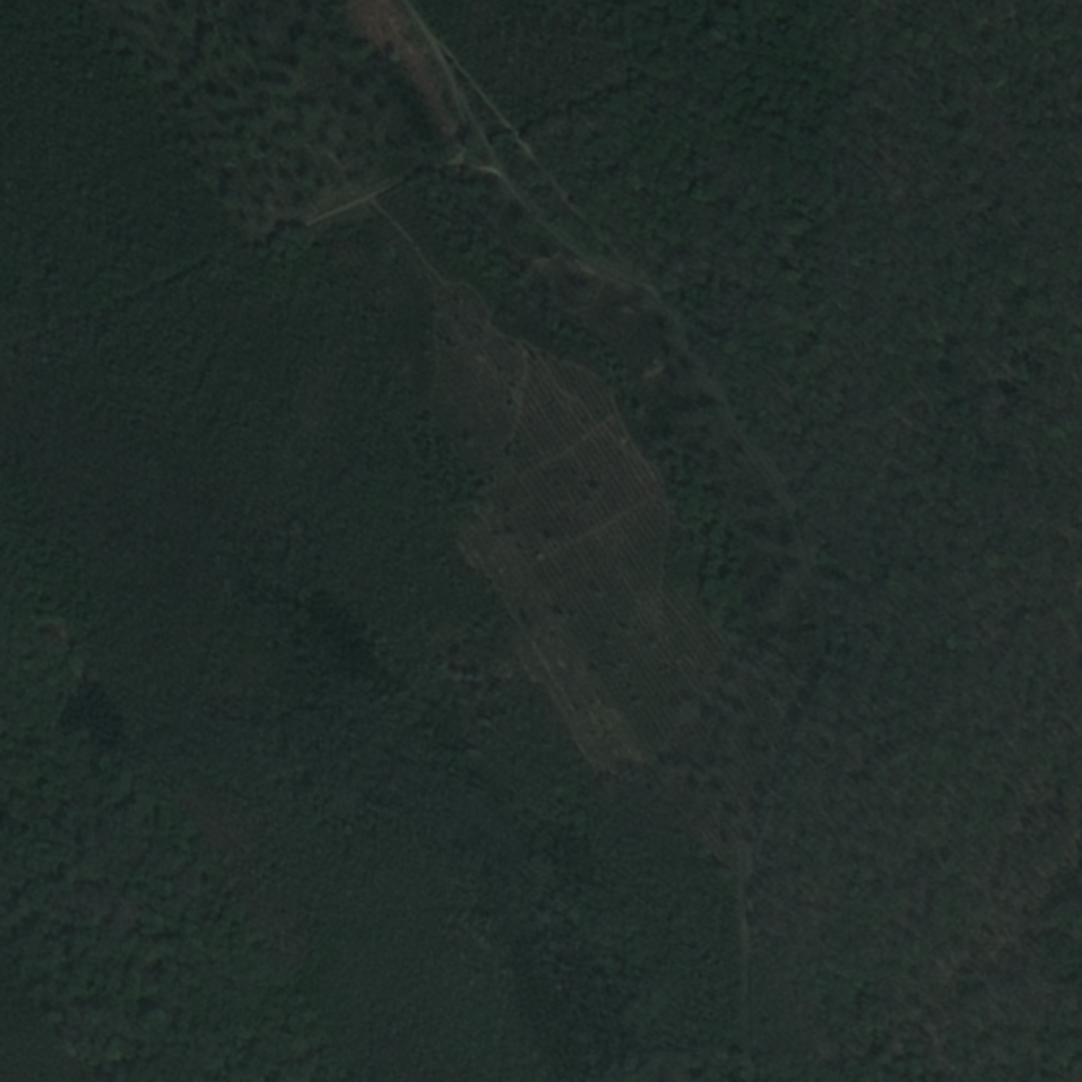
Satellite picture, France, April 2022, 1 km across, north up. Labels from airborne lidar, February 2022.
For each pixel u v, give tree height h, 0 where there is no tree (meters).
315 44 28
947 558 27
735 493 29
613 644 14
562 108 16
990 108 26
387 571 18
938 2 25
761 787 0
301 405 17
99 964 31
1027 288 29
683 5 24
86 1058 29
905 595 32
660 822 16
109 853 26
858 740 30
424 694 20
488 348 0
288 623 20
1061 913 30
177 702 20
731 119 29
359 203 0
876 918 29
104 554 17
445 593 17
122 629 19
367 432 21
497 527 0
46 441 20
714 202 31
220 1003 25
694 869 18
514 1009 13
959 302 30
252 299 17
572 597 0
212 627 19
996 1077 25
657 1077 27
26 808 24
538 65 18
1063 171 30
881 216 32
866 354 29
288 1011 23
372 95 27
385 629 17
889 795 27
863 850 29
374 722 26
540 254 0
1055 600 30
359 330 18
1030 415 29
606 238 25
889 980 30
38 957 24
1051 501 30
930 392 29
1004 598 30
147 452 20
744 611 14
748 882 0
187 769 19
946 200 28
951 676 32
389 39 0
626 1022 28
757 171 33
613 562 0
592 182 26
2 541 23
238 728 19
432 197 21
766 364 29
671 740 0
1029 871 29
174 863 30
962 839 29
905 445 29
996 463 26
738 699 27
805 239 13
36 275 21
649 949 19
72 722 24
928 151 29
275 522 17
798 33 23
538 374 0
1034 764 31
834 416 27
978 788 30
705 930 17
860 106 30
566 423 0
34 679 23
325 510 20
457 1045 11
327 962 11
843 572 29
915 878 20
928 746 30
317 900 13
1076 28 29
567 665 0
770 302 27
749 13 28
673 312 22
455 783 23
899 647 29
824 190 26
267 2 0
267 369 17
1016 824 32
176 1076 30
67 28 19
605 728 9
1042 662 32
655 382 0
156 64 23
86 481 18
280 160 24
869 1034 27
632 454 0
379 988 15
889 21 27
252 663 0
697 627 0
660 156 22
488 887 25
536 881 18
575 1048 6
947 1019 28
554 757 16
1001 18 29
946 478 25
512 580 0
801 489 24
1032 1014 28
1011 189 27
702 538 22
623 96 22
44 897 27
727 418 20
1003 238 30
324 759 21
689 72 27
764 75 28
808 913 28
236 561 17
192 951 29
